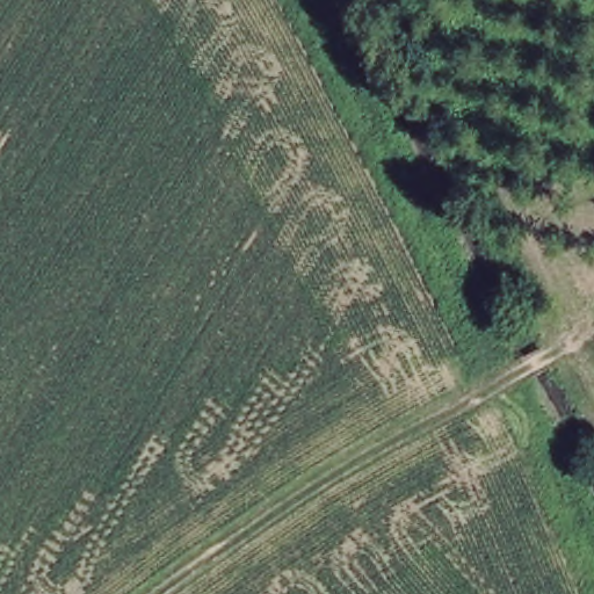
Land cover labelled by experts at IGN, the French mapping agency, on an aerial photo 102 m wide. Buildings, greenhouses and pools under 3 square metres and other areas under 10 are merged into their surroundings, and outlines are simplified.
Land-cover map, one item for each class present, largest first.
<instances>
[{"label":"agricultural land","instance_id":"1","mask_svg":"<svg viewBox=\"0 0 594 594\"><path fill-rule=\"evenodd\" d=\"M283 7L278 0H0V594H128L144 585L160 566L167 568L179 555H183L188 545H197V538H204L211 531H216L218 522L239 520L244 513H251L265 499H269L281 485L297 478L302 471L320 464L336 450H343L353 439H360L383 427L392 418L401 415L406 408H411L408 404H418L443 387L455 385V374L448 367V362L459 350L457 341L452 339V332L446 327L441 309L434 302V295L429 292V283H425L422 278V271L411 246L406 244L399 225L394 223L392 211L385 207L376 179L364 167V155L357 151L353 135L343 125L332 97L325 90L318 70L311 65V58L306 56L302 39L290 32L288 23L281 19ZM501 413L487 411L480 401L469 411L459 413L457 418H452V425L446 434L434 432L427 439L413 441L411 446L387 457L383 464L374 466L371 471L355 476L350 483L323 485L316 492L318 499L304 513L292 515L260 531L255 538L241 543V555L232 557L207 580L193 585L183 594H580L578 580L559 548L557 531L543 506L536 473H531L517 457V446L510 432L506 427L501 429Z\"/></svg>","mask_w":594,"mask_h":594},{"label":"herbaceous vegetation","instance_id":"2","mask_svg":"<svg viewBox=\"0 0 594 594\"><path fill-rule=\"evenodd\" d=\"M283 7L281 19L288 23L290 32L302 39L306 56L311 58V65L318 70L325 90L332 97L343 125L353 135L357 151L364 155V167L376 179L385 207L392 211L394 223L399 225L406 244L411 246L422 271V278L425 283H429V292L434 295V302L441 309L446 327L452 332V339L457 341L459 350L448 362V367L455 374V385L443 387L418 404H408L411 408H406L401 415L392 418L383 427L360 439H353L343 450H336L320 464L302 471L297 478L281 485L269 499H265L251 513H244L239 520L218 522L216 531H211L204 538H197V545H188L183 555H179L167 568L160 566L144 585L128 594H183L193 585L207 580L232 557L241 555V543L255 538L260 531L292 515L304 513L318 499L316 492L323 485L350 483L355 476L371 471L374 466L383 464L387 457L411 446L413 441L427 439L434 432L446 434L452 425V418H457L459 413L469 411L480 401L487 411L501 413V429L506 427L510 432L517 446V457L531 473H536L543 506L557 531L559 548L578 580L580 594H594V492L573 476H566L571 471L575 452L555 434V415L536 383L541 371L531 374L529 378L515 385L510 364L520 360L513 346L497 341L494 334L471 323V311L464 297V281H469L485 295L492 285H499V274L497 265L483 253L480 244L469 234V227L459 232L455 227H448L441 216H436L452 183L427 149L425 128L418 121H411L401 114L394 116L390 104H383L376 95H371L364 88H357L367 79V60L360 46H346V23L353 14V0H278ZM462 26L478 28L485 32V37L492 39L483 49V56L487 60L506 58L504 39H522L517 51V67L536 70L541 63L545 65L548 74L555 77L559 84L575 74L580 63H587L594 56V0H459V5L452 7L439 26H432L429 35L422 39V46L429 51H439L443 60L452 58L459 49H471L466 35L459 30ZM548 28L557 30L555 46L548 49L545 44H531L538 35L536 30ZM494 95L508 97L513 102V107L508 109V118L497 121L478 109L464 111L466 97ZM427 97L432 102H441L452 116L464 111L466 125L478 135V146L490 153L499 151L501 146L520 149L522 135L548 132L555 142L545 151V162L568 160L573 155L578 158L580 169L594 172V107L589 111H573L555 97L552 88L515 86V81L508 79H459L455 86H429ZM517 172L504 167V188L499 190L501 207L506 211L517 213L515 227H520V232L524 234L522 265L527 271H534L538 276L548 295L545 311H541L536 320L541 336L538 350L555 336L573 329L575 313H594V174L575 179L573 190L559 183H550L541 176L534 183L536 200L529 204H520L510 195V190L515 188ZM552 190H557L562 197L571 195L573 211L555 213L548 200ZM548 237L562 239L566 251L555 258H545L541 241ZM548 378L562 387L575 415L585 420L580 425V439H594V339L580 350L568 353L559 362L543 369Z\"/></svg>","mask_w":594,"mask_h":594},{"label":"deciduous trees","instance_id":"3","mask_svg":"<svg viewBox=\"0 0 594 594\"><path fill-rule=\"evenodd\" d=\"M459 5V0H353V14L346 23V46H360L367 60V79L357 88H364L371 95H376L383 104H390L394 116L401 114L411 121H418L425 128L427 149L452 183L436 216H441L448 227H455L459 232L469 227V234L480 244L483 253L497 265L499 274V285H492L485 295L469 281H464V297L471 311V323L494 334L497 341L513 346L520 360L538 350L541 336L536 320L541 311H545L548 295L538 276L534 271H527L522 265L524 234L520 232V227H515L517 213L506 211L501 207L499 190L504 188V167L517 172L515 188L510 190V195L520 204H529L536 200L534 183L541 176L550 183H559L573 190L575 179L594 174V172L580 169L578 158L573 155L568 160L545 162V151L555 142L548 132L522 135L520 149L501 146L499 151L490 153L478 146V135L466 125L464 111L452 116L441 102H432L427 97L429 86H455L459 79H508L515 81V86L552 88L555 97L573 111H589L594 107V56L587 63H580L575 74L559 84L555 77L548 74L545 65L541 63L536 70L517 67V51L522 39H504L506 58L487 60L483 56V49L492 39L485 37V32L478 28L462 26L459 30L466 35L471 49H459L452 58L443 60L439 51H429L422 46V39L429 35L432 26H439L452 7ZM538 35L531 44H545L548 49L555 46L557 30L548 28L536 30ZM513 107V102L508 97L494 95L466 97L464 111L478 109L497 121L508 118V109ZM548 200L555 213L573 211L571 195L562 197L557 190H552ZM545 258H555L566 251L562 239L548 237L541 241ZM566 476H573L594 492V439H580L575 452L571 471Z\"/></svg>","mask_w":594,"mask_h":594},{"label":"pervious surface","instance_id":"4","mask_svg":"<svg viewBox=\"0 0 594 594\"><path fill-rule=\"evenodd\" d=\"M594 339V313H575L573 329L555 336L538 350L520 360L510 364L515 385L529 378L531 374L541 371L543 369L559 362L568 353L580 350Z\"/></svg>","mask_w":594,"mask_h":594},{"label":"water","instance_id":"5","mask_svg":"<svg viewBox=\"0 0 594 594\"><path fill-rule=\"evenodd\" d=\"M536 383L555 415V434L575 452L580 439V425L585 420L575 415L562 387L548 378L543 369L541 371Z\"/></svg>","mask_w":594,"mask_h":594}]
</instances>
